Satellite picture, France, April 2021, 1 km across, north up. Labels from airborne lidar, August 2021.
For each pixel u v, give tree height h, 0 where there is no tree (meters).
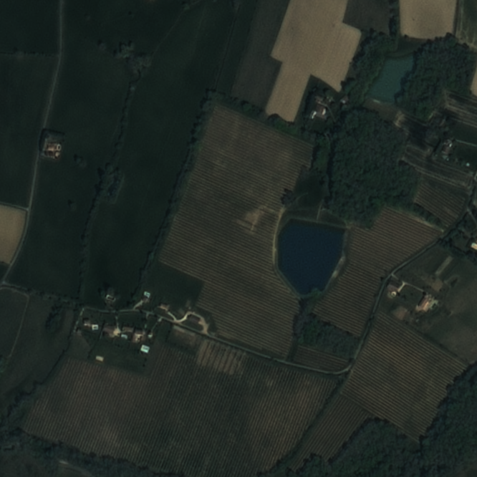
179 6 0
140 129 0
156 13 0
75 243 0
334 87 0
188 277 0
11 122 0
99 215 0
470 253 10
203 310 0
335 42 0
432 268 0
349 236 0
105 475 13
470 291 0
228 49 0
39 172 0
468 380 10
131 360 0
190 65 0
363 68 22
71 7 0
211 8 0
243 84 0
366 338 5
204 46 0
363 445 24
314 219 0
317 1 0
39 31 0
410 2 0
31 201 0
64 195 0
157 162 0
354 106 7
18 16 0
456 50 21
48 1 0
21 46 0
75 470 0
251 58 0
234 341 0
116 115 0
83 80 0
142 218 0
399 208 15
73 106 0
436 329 0
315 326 22
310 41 0
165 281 0
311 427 7
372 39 10
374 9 0
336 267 0
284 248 0
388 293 0
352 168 21
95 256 0
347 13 0
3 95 0
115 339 0
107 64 0
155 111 0
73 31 0
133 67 22
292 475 21
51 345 0
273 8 0
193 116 0
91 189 0
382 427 22
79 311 8
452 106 0
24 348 0
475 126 0
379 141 21
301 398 0
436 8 0
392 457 26
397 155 18
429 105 21
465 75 17
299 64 0
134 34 0
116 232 0
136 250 0
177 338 0
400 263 0
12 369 0
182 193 15
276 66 0
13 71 0
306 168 15
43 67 0
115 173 8
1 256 0
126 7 0
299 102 0
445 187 0
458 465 18
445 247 10
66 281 0
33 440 11
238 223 0
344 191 17
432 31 0
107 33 0
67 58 0
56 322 25
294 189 0
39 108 0
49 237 0
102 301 0
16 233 0
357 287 0
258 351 0
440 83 21
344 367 0
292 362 6
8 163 0
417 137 0
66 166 0
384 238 0
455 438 30
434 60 24
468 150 0
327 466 20
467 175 0
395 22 18
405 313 0
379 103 0
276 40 0
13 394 0
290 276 0
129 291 0
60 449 16
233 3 10
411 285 0
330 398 6
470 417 22
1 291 0
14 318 0
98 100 0
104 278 0
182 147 0
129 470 18
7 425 14
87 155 0
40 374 0
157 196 0
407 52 0
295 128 18
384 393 0
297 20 0
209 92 15
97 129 0
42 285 0
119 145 6
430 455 25
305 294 0
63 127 0
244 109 9
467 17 0
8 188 0
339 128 13
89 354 8
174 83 0
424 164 0
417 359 0
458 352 0
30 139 0
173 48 0
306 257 0
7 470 0
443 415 14
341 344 16
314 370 6
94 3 0
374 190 16
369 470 22
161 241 11
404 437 10
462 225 8
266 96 0
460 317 0
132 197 0
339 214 14
